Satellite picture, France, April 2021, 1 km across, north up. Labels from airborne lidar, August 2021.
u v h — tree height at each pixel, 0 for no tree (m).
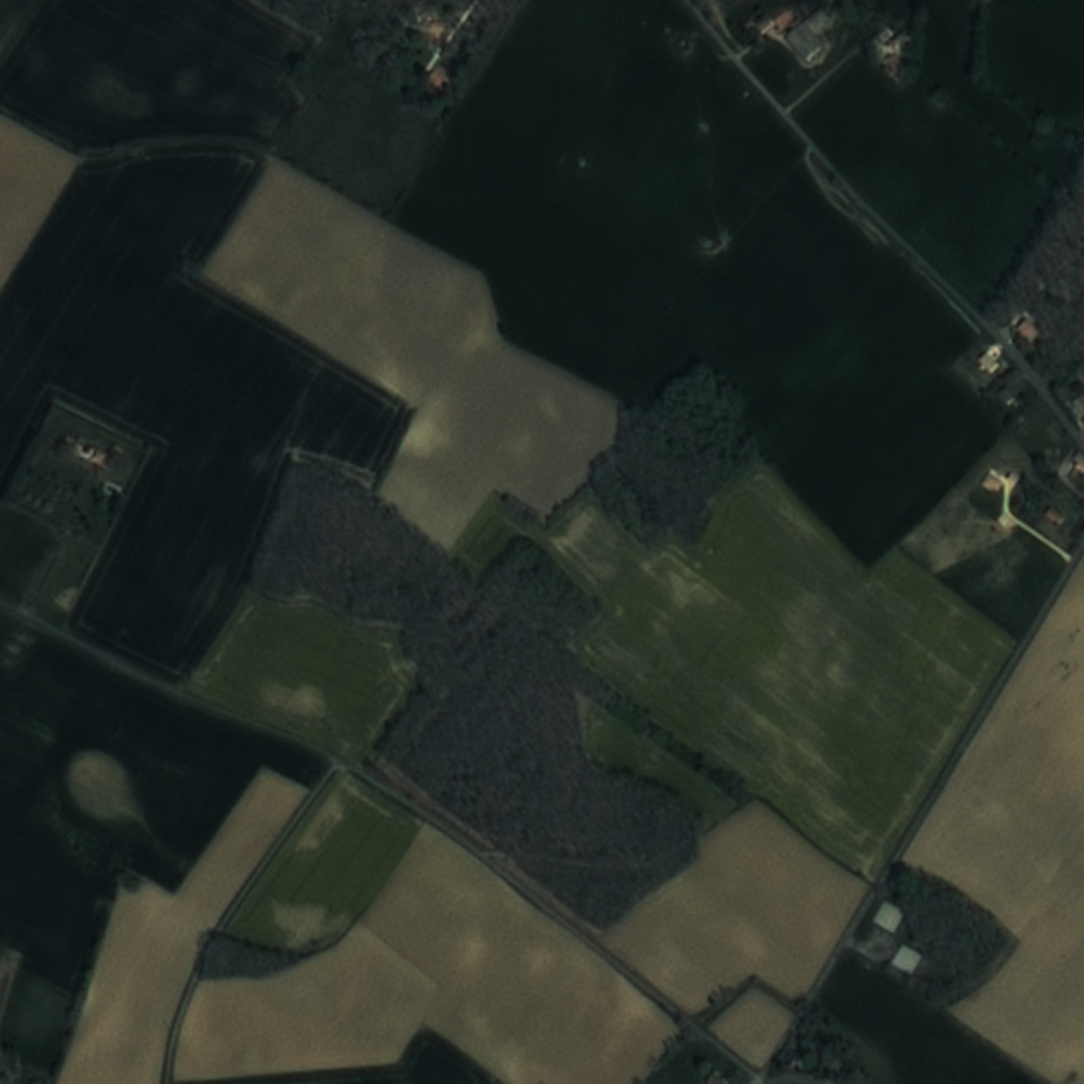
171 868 0
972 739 0
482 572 0
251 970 23
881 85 0
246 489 0
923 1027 0
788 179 0
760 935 0
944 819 0
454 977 0
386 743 11
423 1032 0
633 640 0
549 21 0
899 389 0
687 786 0
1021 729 0
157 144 0
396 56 17
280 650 0
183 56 0
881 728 0
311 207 0
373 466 0
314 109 0
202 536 0
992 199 0
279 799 0
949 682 0
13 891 0
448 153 0
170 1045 0
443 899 0
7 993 0
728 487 14
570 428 0
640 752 0
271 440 0
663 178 0
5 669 0
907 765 0
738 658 0
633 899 18
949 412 0
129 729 0
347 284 0
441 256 0
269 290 0
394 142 0
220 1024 0
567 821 18
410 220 0
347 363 0
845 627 0
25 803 0
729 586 0
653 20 0
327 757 0
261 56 0
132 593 0
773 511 0
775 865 0
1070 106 0
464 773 14
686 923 0
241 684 0
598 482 15
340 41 0
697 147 0
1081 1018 0
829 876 0
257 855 0
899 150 0
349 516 16
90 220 0
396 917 0
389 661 0
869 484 0
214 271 0
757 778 0
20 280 0
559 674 14
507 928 0
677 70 0
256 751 0
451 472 0
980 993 0
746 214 0
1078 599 0
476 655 10
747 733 0
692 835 21
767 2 0
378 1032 0
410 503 0
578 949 0
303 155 0
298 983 0
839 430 0
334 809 0
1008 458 0
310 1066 0
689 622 0
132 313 0
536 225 0
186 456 0
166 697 0
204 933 0
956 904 19
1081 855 0
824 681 0
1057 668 0
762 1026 0
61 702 0
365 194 0
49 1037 0
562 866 17
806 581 0
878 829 0
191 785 0
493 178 0
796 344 0
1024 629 0
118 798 0
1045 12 0
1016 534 0
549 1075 0
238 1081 0
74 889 0
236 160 0
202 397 0
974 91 0
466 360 0
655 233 0
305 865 0
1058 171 0
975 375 0
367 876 0
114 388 0
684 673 0
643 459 18
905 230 0
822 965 0
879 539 0
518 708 16
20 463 13
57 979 0
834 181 14
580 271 0
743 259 0
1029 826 0
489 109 0
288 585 15
